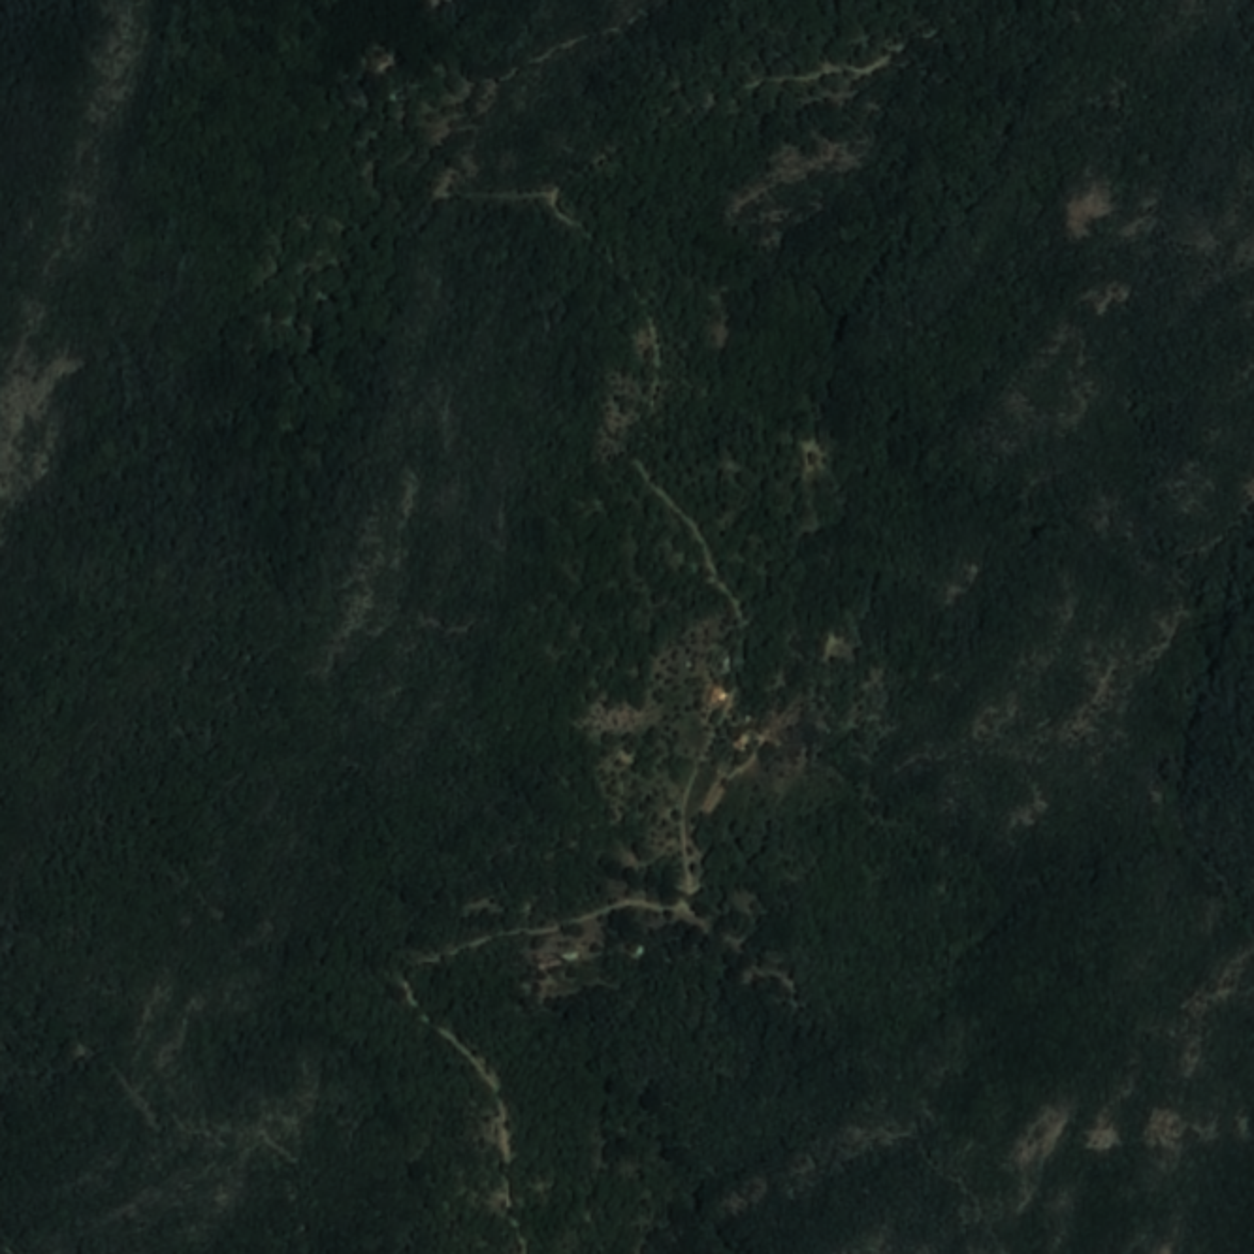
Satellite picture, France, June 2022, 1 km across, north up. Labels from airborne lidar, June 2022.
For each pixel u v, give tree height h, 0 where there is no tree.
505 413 6
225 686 13
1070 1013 9
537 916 9
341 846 9
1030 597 7
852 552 10
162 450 12
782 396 17
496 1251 7
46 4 11
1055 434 7
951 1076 6
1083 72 7
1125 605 7
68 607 16
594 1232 12
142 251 13
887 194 13
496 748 12
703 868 10
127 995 7
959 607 9
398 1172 11
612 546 10
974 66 15
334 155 16
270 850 6
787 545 10
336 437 16
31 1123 11
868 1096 10
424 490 6
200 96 22
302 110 8
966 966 11
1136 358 10
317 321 19
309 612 10
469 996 12
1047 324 9
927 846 11
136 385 8
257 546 14
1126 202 9
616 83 17
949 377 16
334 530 10
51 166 8
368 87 19
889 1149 7
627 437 7
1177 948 5
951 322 14
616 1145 11
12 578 11
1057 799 6
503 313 6
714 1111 10
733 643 10
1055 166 10
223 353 13
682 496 10
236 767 15
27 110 12
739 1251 8
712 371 11
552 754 9
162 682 12
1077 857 12
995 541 8
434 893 10
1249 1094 6
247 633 16
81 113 7
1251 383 8
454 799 8
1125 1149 6
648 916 7
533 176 9
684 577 9
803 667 6
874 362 13
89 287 10
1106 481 9
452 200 9
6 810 15
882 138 11
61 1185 7
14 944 12
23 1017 14
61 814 14
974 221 9
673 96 14
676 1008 11
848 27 15
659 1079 6
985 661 7
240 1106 7
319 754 9
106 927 11
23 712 16
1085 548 11
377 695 6
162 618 8
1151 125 12
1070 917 11
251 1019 9
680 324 8
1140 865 12
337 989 11
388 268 12
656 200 13
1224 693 7
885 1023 10
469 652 10
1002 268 13
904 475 10
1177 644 12
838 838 9
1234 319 7
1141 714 13
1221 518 7
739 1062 8
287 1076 5
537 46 7
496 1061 10
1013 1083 9
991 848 12
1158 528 11
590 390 15
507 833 8
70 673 19
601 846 11
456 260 9
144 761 18
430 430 7
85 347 8
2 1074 10
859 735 11
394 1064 12
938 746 6
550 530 13
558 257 9
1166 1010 9
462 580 6
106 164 6
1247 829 6
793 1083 9
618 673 12
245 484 11
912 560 8
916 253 15
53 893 17
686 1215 14
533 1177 8
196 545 11
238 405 8
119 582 17
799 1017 12
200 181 23
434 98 9
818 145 10
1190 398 10
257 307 7
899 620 10
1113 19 11
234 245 8
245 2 22
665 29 19
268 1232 10
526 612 12
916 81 15
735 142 10
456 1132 9
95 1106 6
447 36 17
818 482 8
